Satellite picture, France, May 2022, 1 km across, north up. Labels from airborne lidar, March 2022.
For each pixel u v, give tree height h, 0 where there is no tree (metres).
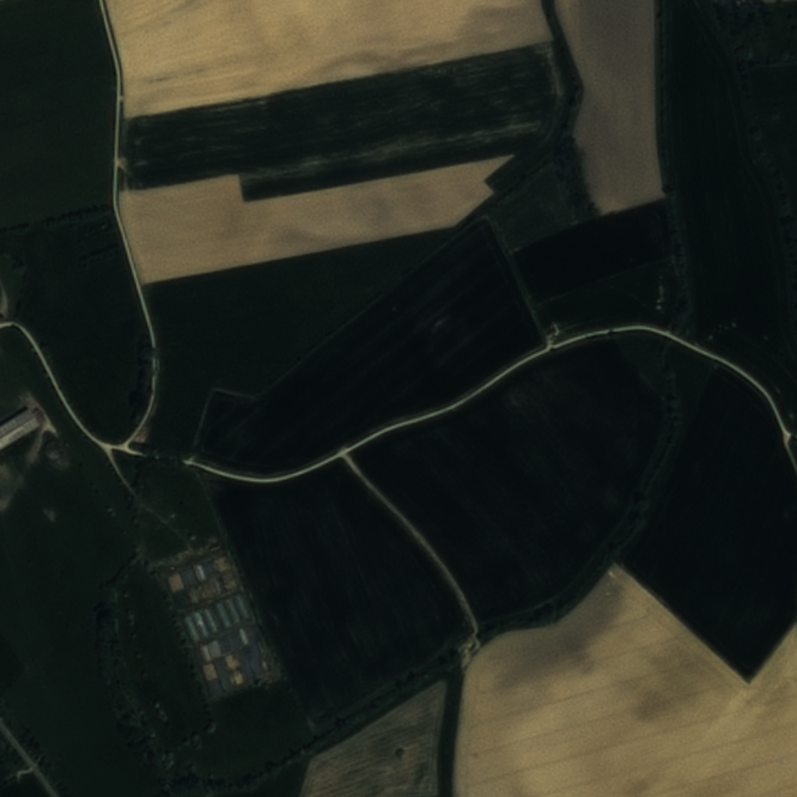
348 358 0
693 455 0
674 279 0
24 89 0
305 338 0
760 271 0
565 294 0
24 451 0
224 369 0
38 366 0
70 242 0
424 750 0
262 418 0
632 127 0
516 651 0
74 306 0
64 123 0
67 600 0
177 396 0
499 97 0
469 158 0
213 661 0
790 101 0
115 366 0
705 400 0
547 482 0
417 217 0
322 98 0
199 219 0
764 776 0
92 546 0
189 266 0
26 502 0
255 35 0
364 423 0
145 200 0
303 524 0
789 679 0
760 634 0
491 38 0
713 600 0
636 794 0
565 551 0
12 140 0
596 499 0
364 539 0
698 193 0
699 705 0
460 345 0
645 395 0
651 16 0
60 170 0
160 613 0
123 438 0
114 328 0
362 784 0
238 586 0
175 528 0
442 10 0
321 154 0
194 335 0
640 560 0
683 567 0
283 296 0
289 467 0
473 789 0
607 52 0
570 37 0
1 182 0
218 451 0
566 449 0
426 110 0
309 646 0
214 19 0
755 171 0
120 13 0
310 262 0
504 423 0
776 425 0
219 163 0
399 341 0
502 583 0
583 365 0
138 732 12
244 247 0
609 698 0
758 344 0
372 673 0
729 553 0
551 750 0
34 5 0
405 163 0
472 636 0
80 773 0
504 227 0
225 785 9
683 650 0
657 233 0
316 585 0
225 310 0
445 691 0
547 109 0
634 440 0
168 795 14
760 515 0
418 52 0
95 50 0
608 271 0
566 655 0
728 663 0
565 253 0
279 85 0
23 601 0
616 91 0
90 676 0
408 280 0
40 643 0
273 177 0
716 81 0
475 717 0
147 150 0
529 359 0
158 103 0
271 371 0
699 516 0
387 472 0
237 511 0
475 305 0
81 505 0
